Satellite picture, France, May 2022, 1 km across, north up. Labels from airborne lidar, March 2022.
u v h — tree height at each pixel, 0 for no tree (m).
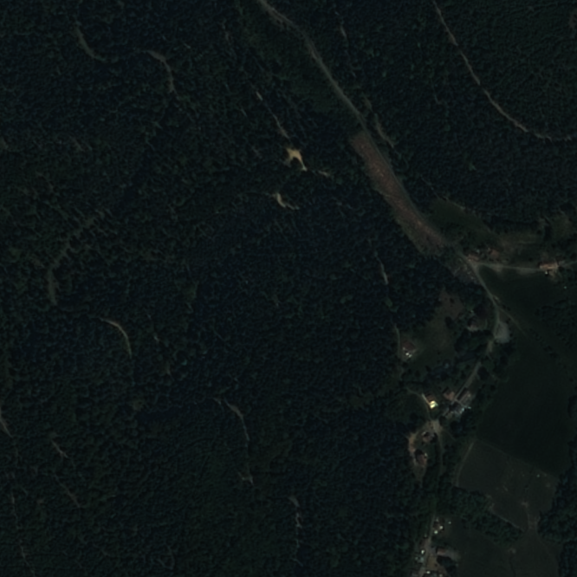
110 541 16
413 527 19
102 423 28
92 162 29
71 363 31
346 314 24
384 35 20
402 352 0
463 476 0
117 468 18
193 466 12
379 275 29
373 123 30
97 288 31
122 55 32
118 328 6
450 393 0
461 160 27
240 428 17
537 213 12
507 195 27
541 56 8
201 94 31
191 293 10
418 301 16
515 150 26
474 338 17
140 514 17
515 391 0
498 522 13
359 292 27
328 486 16
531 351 0
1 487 12
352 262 34
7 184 11
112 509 13
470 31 6
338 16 29
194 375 33
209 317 37
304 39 17
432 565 0
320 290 17
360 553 28
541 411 0
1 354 23
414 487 31
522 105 8
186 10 29
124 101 8
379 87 16
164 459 19
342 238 32
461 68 18
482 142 33
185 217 17
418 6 20
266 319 26
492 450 0
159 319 20
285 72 6
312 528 19
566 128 17
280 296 14
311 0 12
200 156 15
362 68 10
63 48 29
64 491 10
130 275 24
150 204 31
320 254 26
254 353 20
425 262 29
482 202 31
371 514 22
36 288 20
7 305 30
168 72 19
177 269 11
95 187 36
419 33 23
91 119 29
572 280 9
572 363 0
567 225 0
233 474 17
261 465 22
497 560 0
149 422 26
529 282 0
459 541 0
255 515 19
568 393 0
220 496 17
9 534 11
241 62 18
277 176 16
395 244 32
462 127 22
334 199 28
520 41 8
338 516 22
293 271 25
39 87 30
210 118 31
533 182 29
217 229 24
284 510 11
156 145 35
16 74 26
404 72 15
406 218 0
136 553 15
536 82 6
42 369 31
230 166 30
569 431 0
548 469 0
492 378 21
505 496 0
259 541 10
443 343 0
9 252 30
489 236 0
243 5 7
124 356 27
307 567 30
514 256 0
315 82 17
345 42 19
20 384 12
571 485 22
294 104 6
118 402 37
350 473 19
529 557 0
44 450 15
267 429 17
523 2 7
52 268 12
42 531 13
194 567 13
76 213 35
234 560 11
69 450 18
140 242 21
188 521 14
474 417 25
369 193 15
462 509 16
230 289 35
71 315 23
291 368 30
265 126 21
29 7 22
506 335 0
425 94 16
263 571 19
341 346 27
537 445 0
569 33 10
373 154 0
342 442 7
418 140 19
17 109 26
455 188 30
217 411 22
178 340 25
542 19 6
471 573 0
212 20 28
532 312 0
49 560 9
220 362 27
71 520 12
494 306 22
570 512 23
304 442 23
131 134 32
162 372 22
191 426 15
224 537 18
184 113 32
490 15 9
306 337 25
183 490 13
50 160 9
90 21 34
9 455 14
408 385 14
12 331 26
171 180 30
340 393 35
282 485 23
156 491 19
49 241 11
